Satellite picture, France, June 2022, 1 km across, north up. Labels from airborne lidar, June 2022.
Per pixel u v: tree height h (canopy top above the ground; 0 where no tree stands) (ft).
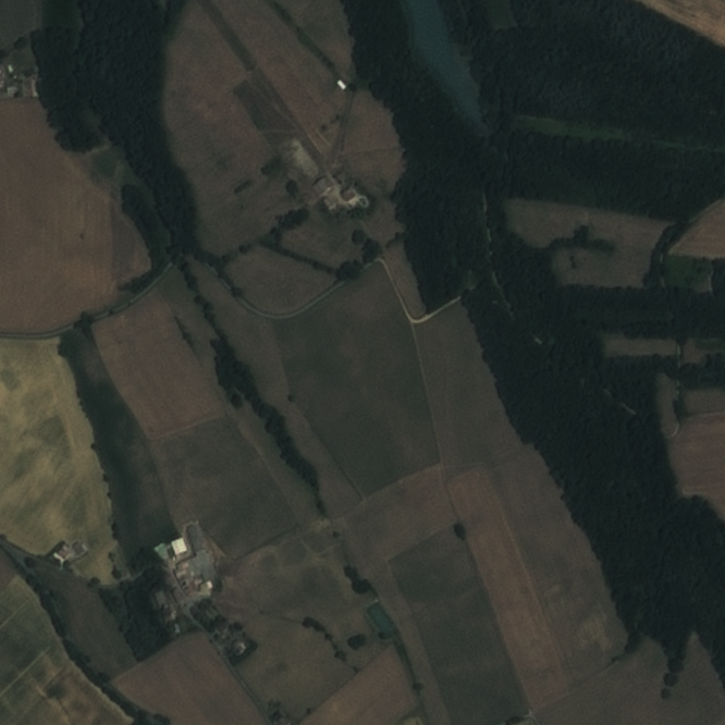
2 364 0
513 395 51
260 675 0
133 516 0
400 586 0
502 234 75
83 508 0
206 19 0
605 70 29
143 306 0
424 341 0
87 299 0
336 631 0
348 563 0
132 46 60
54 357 0
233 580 0
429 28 0
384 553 0
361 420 0
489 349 47
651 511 59
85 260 0
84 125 85
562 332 68
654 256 33
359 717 0
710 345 0
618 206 24
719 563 64
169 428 0
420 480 0
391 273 0
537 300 59
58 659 0
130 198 60
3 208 0
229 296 0
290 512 0
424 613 0
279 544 0
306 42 0
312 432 0
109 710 0
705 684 0
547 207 0
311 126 0
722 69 43
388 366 0
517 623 0
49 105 65
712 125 47
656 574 60
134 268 0
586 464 79
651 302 63
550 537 0
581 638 0
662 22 40
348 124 0
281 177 0
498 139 68
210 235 0
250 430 0
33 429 0
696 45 39
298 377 0
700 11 0
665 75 34
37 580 41
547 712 0
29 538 0
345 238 0
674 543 58
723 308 63
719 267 57
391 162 0
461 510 0
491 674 0
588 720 0
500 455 0
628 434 64
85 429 0
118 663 0
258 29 0
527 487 0
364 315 0
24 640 0
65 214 0
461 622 0
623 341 0
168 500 0
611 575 42
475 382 0
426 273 48
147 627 39
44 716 0
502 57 58
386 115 0
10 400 0
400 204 21
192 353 0
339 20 0
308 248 0
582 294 70
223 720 0
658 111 50
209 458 0
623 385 43
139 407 0
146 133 55
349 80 0
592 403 79
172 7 59
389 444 0
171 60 0
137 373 0
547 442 56
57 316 0
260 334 0
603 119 45
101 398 0
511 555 0
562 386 67
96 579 31
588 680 0
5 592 0
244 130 0
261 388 0
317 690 0
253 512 0
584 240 28
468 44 29
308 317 0
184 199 44
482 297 40
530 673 0
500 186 53
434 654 0
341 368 0
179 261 47
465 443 0
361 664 0
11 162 0
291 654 0
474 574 0
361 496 0
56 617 43
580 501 65
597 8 53
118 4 65
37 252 0
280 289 0
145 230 30
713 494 0
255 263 0
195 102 0
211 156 0
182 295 0
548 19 36
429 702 0
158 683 0
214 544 0
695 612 45
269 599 0
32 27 0
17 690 0
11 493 0
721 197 44
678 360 33
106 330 0
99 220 0
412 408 0
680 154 30
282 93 0
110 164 0
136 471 0
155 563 19
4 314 0
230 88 0
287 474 0
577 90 74
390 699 0
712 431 0
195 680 0
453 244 38
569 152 38
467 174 59
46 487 0
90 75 65
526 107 64
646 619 67
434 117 56
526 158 42
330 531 0
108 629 0
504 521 0
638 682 0
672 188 63
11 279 0
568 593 0
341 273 48
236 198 0
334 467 0
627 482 66
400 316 0
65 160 0
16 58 0
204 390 0
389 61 68
